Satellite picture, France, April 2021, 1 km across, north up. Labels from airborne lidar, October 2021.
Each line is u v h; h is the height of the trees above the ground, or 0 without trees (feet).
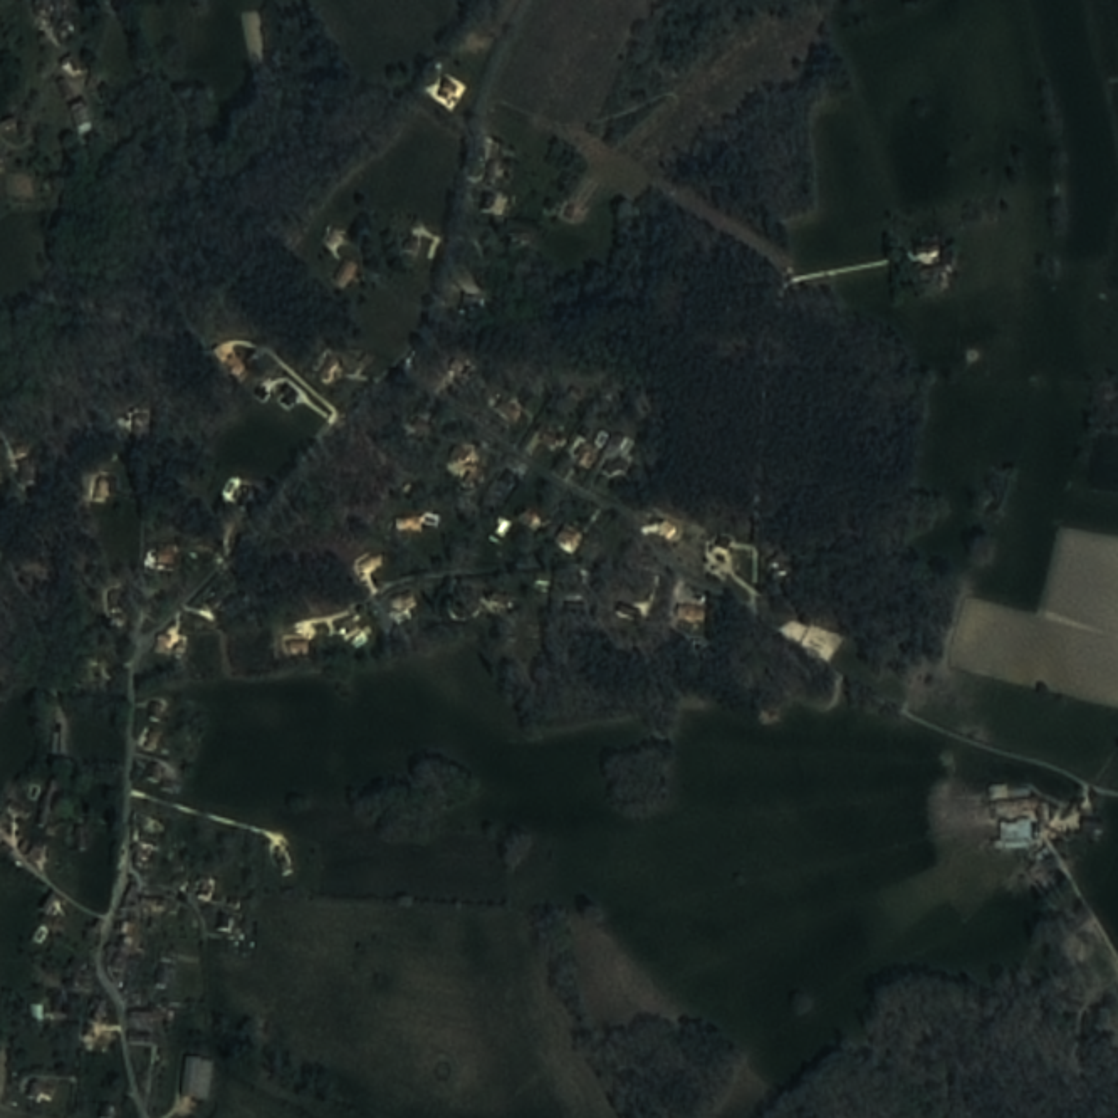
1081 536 0
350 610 49
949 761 0
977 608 0
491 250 36
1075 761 0
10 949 0
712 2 72
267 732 0
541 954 60
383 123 54
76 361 48
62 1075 25
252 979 0
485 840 23
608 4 0
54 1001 0
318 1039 0
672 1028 37
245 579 76
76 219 72
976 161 0
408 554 0
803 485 58
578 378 64
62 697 32
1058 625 0
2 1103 0
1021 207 0
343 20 0
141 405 35
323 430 0
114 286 48
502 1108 0
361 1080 0
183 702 33
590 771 0
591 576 37
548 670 52
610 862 0
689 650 64
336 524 75
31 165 21
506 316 79
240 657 19
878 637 60
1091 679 0
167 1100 0
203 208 81
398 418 58
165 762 21
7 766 0
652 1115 67
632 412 53
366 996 0
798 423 63
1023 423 0
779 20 57
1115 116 0
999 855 0
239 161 69
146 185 72
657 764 49
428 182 0
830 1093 65
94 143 51
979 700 0
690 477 65
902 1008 84
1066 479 0
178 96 55
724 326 75
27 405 60
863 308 0
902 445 61
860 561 63
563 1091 0
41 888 31
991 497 0
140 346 44
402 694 0
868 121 0
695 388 64
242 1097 0
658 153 0
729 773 0
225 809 0
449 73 0
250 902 26
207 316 55
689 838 0
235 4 0
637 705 52
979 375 0
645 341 64
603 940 0
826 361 73
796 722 0
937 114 0
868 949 0
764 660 52
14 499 57
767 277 52
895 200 0
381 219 0
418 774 67
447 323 72
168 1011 31
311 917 0
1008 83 0
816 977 0
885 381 74
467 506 56
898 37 0
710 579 20
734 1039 0
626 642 47
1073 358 0
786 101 67
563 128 0
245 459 0
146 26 0
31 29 0
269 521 64
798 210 61
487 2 56
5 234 0
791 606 65
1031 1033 67
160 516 68
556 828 0
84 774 52
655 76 29
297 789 0
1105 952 0
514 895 0
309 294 63
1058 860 32
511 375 73
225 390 43
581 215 0
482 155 36
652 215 28
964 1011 71
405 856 0
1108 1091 65
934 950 0
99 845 0
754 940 0
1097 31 0
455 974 0
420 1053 0
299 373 41
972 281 0
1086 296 0
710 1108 60
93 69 41
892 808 0
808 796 0
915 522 65
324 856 0
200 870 42
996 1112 52
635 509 48
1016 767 0
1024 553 0
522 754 0
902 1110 62
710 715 0
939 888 0
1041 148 0
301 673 70
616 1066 53
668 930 0
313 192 59
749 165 58
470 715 0
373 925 0
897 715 52
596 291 36
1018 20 0
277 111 74
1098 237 0
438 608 24
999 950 0
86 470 73
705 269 48
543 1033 0
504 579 35
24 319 80
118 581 60
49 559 82
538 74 0
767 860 0
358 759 0
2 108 0
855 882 0
